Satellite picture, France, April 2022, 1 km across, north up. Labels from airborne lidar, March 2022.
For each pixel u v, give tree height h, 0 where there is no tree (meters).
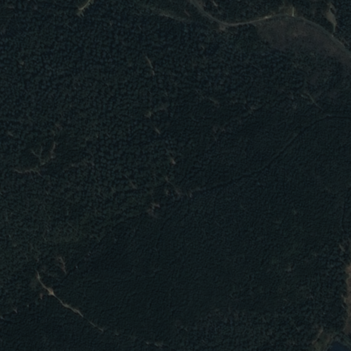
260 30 14
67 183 32
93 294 13
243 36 32
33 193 24
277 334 33
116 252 25
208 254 14
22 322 22
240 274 23
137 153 33
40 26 24
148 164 31
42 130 27
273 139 22
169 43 35
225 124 18
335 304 16
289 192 15
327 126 19
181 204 27
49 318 16
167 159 30
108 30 29
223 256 15
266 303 12
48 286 14
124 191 17
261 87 31
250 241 19
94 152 36
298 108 19
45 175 15
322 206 14
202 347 12
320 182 16
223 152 32
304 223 16
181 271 17
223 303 14
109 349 21
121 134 34
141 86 37
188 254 20
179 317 15
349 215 30
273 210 16
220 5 17
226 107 13
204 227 16
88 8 0
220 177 23
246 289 18
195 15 8
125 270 18
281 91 20
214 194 28
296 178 15
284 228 18
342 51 14
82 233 9
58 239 15
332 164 19
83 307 14
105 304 17
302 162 22
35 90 37
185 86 39
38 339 22
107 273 19
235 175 20
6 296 21
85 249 16
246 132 20
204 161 21
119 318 18
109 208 30
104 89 35
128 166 30
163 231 18
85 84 8
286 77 28
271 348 15
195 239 18
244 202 17
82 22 23
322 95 13
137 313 16
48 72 28
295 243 18
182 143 20
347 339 23
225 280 20
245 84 26
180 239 15
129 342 15
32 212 23
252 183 25
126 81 35
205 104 12
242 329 27
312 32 13
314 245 26
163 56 32
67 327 25
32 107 34
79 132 26
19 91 27
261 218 19
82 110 11
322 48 8
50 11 31
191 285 16
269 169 15
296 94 20
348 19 33
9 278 19
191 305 14
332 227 23
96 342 18
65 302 14
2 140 14
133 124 25
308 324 22
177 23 9
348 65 15
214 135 16
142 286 19
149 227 18
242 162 18
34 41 23
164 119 14
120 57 33
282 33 17
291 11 0
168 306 15
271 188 18
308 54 8
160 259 14
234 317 8
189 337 7
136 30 35
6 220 24
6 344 17
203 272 18
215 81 28
